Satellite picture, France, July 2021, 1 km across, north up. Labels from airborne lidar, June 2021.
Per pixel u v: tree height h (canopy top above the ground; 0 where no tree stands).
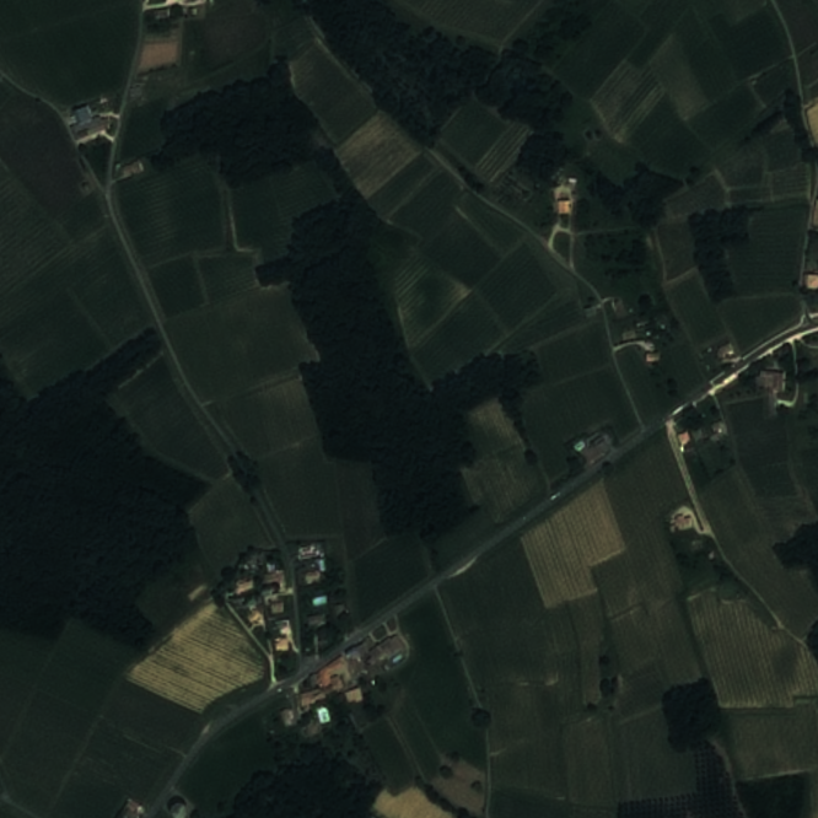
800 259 0
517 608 0
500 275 0
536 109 18
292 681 0
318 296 21
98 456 22
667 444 0
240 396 0
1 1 0
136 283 0
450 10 0
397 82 19
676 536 0
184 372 0
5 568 28
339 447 11
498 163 0
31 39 0
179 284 0
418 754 0
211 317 0
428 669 0
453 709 0
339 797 20
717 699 15
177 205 0
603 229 0
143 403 0
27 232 0
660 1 0
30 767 0
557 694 0
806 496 0
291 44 0
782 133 0
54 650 0
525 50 13
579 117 0
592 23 8
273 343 0
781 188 0
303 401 0
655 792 0
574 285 0
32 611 9
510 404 20
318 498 0
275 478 0
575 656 0
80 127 0
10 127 0
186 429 0
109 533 19
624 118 0
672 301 0
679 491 0
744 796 7
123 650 0
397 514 18
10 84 0
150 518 22
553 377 0
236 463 14
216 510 0
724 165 0
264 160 18
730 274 11
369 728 0
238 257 0
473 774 0
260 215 0
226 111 17
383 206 0
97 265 0
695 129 0
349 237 24
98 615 21
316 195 0
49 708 0
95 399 17
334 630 11
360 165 0
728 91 0
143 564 26
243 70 0
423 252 0
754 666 0
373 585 0
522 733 0
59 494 22
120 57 0
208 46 0
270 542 0
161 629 0
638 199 19
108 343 0
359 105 0
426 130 19
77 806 0
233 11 0
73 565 25
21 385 0
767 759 0
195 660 0
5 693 0
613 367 0
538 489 0
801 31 0
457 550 0
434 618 0
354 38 17
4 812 0
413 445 23
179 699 0
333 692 6
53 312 0
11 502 20
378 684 9
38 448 20
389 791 0
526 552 0
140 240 0
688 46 0
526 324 0
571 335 0
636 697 0
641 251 8
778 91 0
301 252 22
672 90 0
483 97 15
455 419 16
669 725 9
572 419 0
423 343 0
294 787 19
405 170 0
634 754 0
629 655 0
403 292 0
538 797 0
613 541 0
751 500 0
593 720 0
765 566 0
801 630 0
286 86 11
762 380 0
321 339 19
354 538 0
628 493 0
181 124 15
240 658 0
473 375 16
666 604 0
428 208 0
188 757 0
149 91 0
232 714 0
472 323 0
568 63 0
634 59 0
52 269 0
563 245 0
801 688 0
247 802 12
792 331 0
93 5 0
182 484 9
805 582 0
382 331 23
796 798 7
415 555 0
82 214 0
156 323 0
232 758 0
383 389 22
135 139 0
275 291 0
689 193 0
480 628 0
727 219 13
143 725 0
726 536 0
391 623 0
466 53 6
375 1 22
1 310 0
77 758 0
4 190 0
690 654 0
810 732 0
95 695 0
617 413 0
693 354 0
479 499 0
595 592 0
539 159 17
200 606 0
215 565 0
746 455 0
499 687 0
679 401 0
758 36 0
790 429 0
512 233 0
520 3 0
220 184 0
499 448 0
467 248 0
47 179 0
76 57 0
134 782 0
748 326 0
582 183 0
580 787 0
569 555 0
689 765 0
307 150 18
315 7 17
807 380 7
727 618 0
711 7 0
